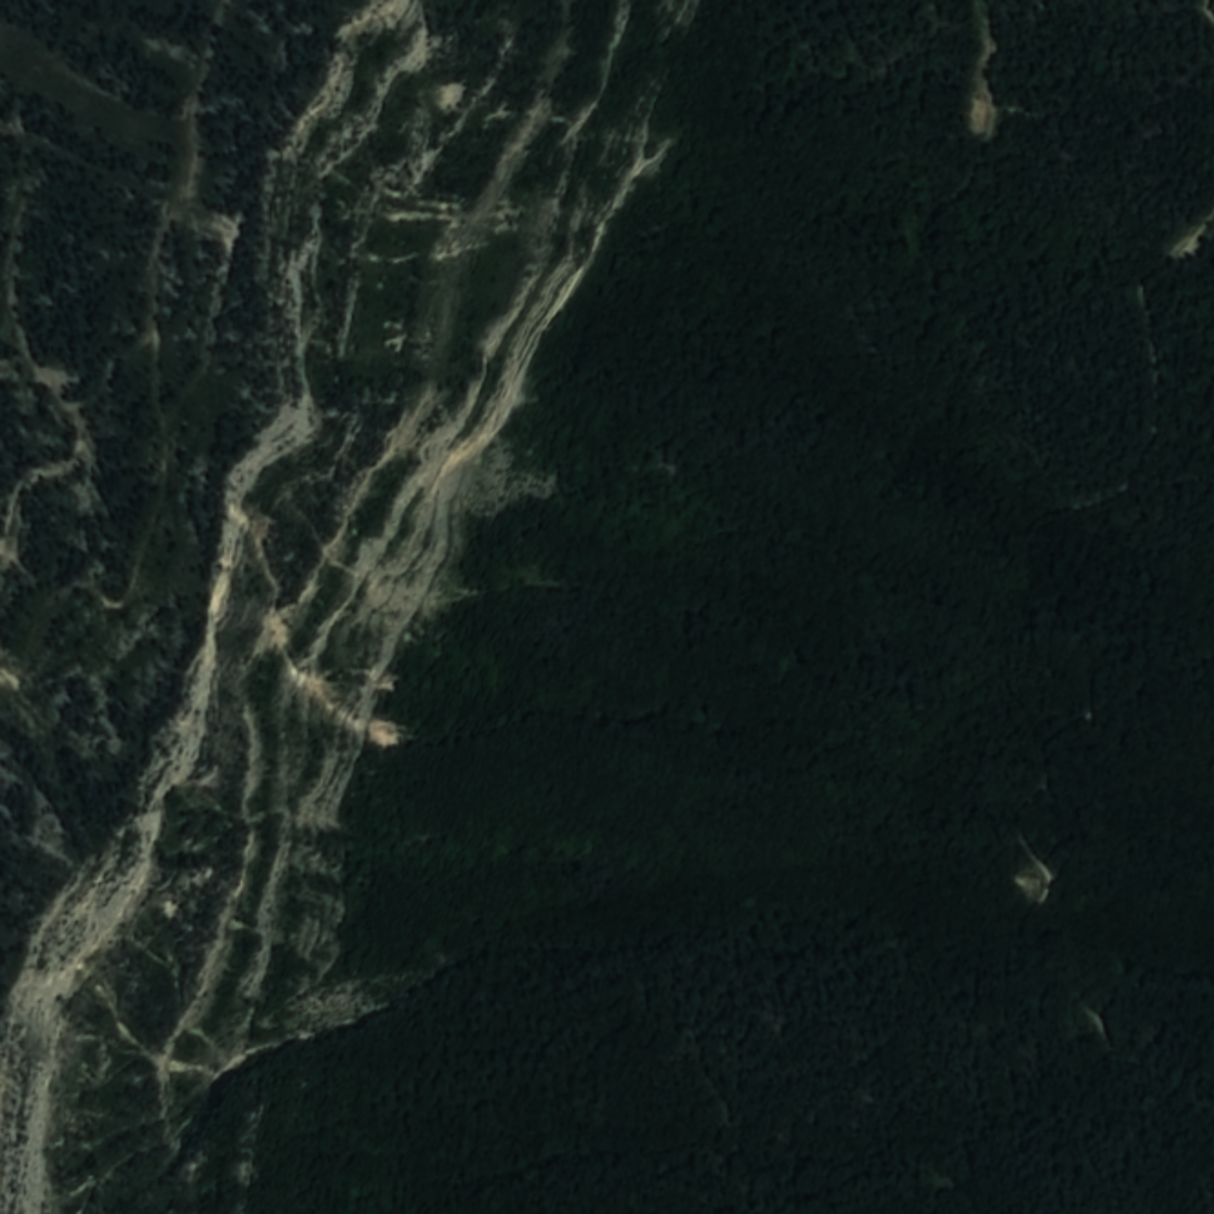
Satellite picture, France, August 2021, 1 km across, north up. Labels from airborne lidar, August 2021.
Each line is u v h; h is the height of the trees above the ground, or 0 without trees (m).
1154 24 27
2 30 0
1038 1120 20
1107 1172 20
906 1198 18
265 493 10
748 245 24
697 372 34
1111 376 21
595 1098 11
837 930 27
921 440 22
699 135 16
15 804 8
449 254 0
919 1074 15
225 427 8
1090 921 24
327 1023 23
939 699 18
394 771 19
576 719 32
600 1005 19
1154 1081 17
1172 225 19
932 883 20
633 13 16
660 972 16
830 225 28
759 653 36
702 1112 15
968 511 26
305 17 7
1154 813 22
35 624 0
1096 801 23
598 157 9
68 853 0
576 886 30
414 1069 16
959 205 21
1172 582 21
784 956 11
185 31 5
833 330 25
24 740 8
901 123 23
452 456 0
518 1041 21
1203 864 27
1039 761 17
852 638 28
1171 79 27
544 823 27
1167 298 27
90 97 0
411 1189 20
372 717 19
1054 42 7
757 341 25
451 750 19
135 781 6
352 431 7
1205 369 21
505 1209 19
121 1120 11
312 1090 19
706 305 27
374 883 23
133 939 8
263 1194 18
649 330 17
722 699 33
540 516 23
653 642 34
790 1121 10
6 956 7
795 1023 18
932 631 23
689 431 20
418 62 0
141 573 0
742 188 18
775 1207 18
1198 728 14
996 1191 18
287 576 27
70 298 7
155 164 6
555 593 28
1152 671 26
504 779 20
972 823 28
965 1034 17
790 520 25
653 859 32
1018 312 24
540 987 17
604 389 26
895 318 17
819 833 19
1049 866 11
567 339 12
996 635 26
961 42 13
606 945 14
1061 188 14
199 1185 7
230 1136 11
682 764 34
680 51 20
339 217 11
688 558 17
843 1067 17
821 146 20
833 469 30
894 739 22
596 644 28
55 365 0
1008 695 11
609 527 24
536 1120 17
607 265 10
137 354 0
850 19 20
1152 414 17
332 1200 20
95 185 7
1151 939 24
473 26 11
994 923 28
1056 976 23
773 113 25
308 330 8
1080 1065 26
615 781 27
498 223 0
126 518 7
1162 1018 25
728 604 23
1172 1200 19
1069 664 23
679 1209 20
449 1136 20
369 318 0
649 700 34
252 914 10
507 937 10
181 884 6
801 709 25
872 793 23
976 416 18
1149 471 24
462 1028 13
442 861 30
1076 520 18
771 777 31
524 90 6
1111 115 21
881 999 22
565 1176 23
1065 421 21
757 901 22
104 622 0
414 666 28
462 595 14
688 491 17
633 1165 22
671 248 13
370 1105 14
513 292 0
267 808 6
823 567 27
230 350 6
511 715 29
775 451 29
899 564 24
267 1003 11
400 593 8
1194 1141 25
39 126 8
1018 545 28
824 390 32
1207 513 14
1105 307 17
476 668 29
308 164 44
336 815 20
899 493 33
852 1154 13
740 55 25
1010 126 15
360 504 6
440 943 7
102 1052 0
